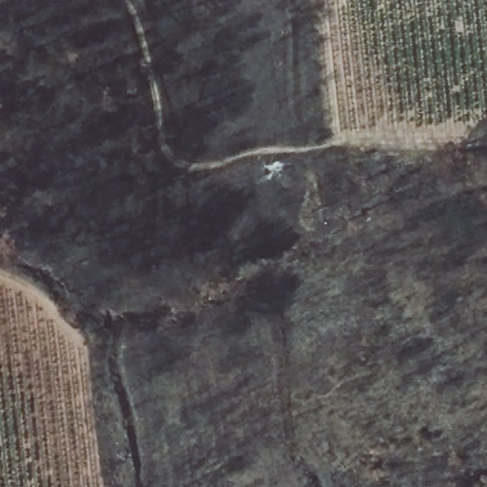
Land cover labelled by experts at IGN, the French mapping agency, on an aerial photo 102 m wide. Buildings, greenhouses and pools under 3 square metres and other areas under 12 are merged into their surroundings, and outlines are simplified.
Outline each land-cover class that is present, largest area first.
<instances>
[{"label":"bare soil","instance_id":"1","mask_svg":"<svg viewBox=\"0 0 487 487\"><path fill-rule=\"evenodd\" d=\"M127 4H135V8L141 13L152 59L146 67H141L143 48L139 32L133 23V15L127 10ZM323 10V0H0V177H10L21 183V190L15 194L13 202L11 226L17 232V236L25 242V251H38L44 263L38 268L23 264V270L17 276L27 278L38 289H42L49 299L57 304L63 320L82 333L84 344L89 350V403L95 415V432L105 487H487V146L464 148L460 143H445L436 150L369 146L361 150L358 146H335L312 152H280L249 156L223 167L196 171L175 167L171 162H167L166 154L158 145L156 110L150 91L152 84H158L162 95L167 145L171 146L173 154L179 160H186L190 164L221 160L226 156L259 146L316 145L331 139V124L325 118L331 110L323 107V95L327 93V82L323 78L325 42L323 34L318 30L321 21L318 19V13Z\"/></svg>","mask_w":487,"mask_h":487},{"label":"vineyard","instance_id":"2","mask_svg":"<svg viewBox=\"0 0 487 487\"><path fill-rule=\"evenodd\" d=\"M318 19L321 21L318 30L323 34L325 42L323 78L327 82V93L323 95V107L331 110L325 118L331 124V139L335 146H358L361 143V129H373L384 112L388 114L390 124L415 122L417 127L441 124L451 118L453 122L464 124L466 133L476 126L477 122L487 118V0H323V10L318 13ZM10 287L0 285V487H105L95 432V415L89 403V363L82 369V373H76V360L67 358L65 337L61 331H55L53 320L30 318L29 299L23 297L21 291H17L15 297L10 299Z\"/></svg>","mask_w":487,"mask_h":487},{"label":"pervious surface","instance_id":"3","mask_svg":"<svg viewBox=\"0 0 487 487\"><path fill-rule=\"evenodd\" d=\"M127 10L133 15V23L139 32L143 48L141 67H146L152 59L141 13L135 8V4H127ZM150 91L156 110L158 145L166 154L167 162H171L175 167L196 171L223 167L249 156L280 152H312L335 146L331 139L316 145L259 146L226 156L221 160L190 164L186 160H179L173 154L171 146L167 145L162 95L158 84H152ZM361 143L358 146L361 150L369 146L436 150L445 143H460L464 148L487 146V118L477 122L476 126L466 133L464 124L453 122L451 118L441 124L417 127L415 122L390 124L388 114L384 112L373 129H361ZM0 285L10 287V299L15 297L17 291H21L23 297L29 299L30 318L53 320L55 331H61L65 337L67 358L76 360V373H82V369L89 363V350L84 344L82 333L63 320L57 304L49 299L42 289H38L27 278L17 276L0 268Z\"/></svg>","mask_w":487,"mask_h":487},{"label":"coniferous trees","instance_id":"4","mask_svg":"<svg viewBox=\"0 0 487 487\"><path fill-rule=\"evenodd\" d=\"M21 190V183L10 177H0V268L17 276L23 270V264L38 268L44 263L38 251H25V242L17 236V232L11 226L13 202L15 194Z\"/></svg>","mask_w":487,"mask_h":487}]
</instances>
